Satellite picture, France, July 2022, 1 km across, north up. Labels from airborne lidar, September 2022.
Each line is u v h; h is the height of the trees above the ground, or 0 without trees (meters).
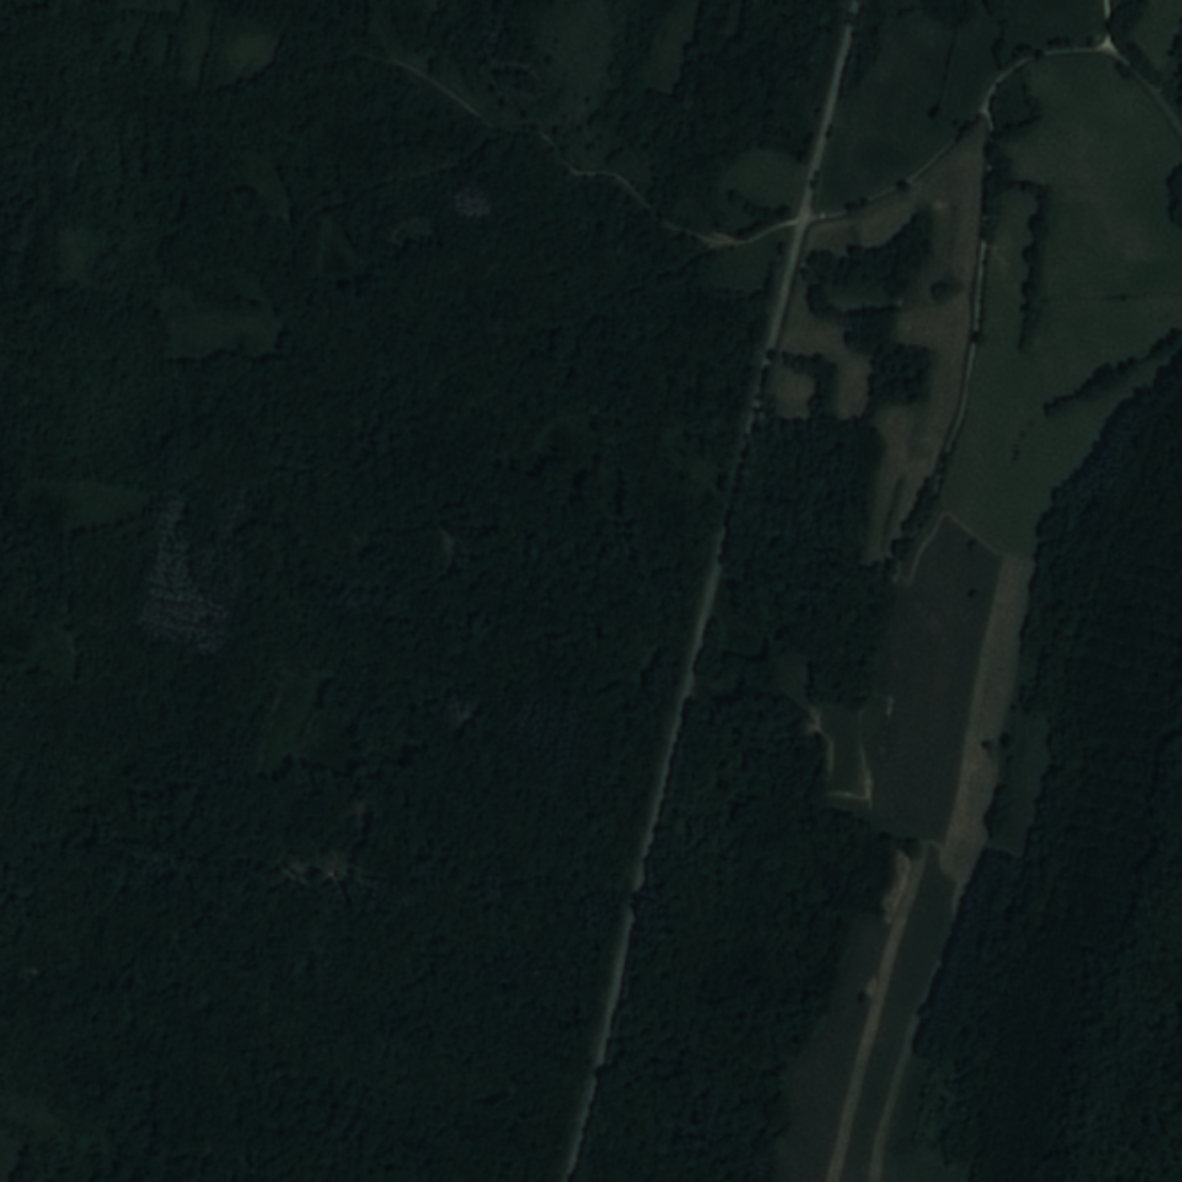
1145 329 0
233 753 16
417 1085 19
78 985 15
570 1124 15
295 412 18
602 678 20
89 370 9
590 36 0
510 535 20
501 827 19
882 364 10
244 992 17
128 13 9
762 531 18
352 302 21
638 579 19
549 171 17
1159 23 0
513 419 17
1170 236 0
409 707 18
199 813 12
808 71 17
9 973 17
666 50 0
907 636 0
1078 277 0
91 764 18
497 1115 21
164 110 17
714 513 19
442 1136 19
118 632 14
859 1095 0
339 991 18
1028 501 0
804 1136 0
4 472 17
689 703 9
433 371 16
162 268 7
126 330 11
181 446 23
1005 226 0
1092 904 12
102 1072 18
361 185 11
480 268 17
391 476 16
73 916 13
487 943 15
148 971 23
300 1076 12
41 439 14
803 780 23
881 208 0
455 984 19
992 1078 15
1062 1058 13
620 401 18
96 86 10
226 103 17
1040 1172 18
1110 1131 16
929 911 0
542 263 14
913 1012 0
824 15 10
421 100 6
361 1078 18
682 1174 17
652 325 25
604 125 11
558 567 18
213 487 14
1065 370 0
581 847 24
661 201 11
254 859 18
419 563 18
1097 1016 16
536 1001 13
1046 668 12
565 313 13
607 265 15
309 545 16
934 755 0
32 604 12
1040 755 0
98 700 12
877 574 16
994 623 0
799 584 21
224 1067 13
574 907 18
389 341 18
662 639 16
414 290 15
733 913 24
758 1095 16
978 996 18
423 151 13
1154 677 9
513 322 19
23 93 19
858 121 0
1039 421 0
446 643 22
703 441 8
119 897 18
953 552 0
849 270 15
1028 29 0
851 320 20
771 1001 19
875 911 12
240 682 13
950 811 0
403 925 17
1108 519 18
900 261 15
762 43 13
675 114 14
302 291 16
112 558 12
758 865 20
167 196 8
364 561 17
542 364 21
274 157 14
